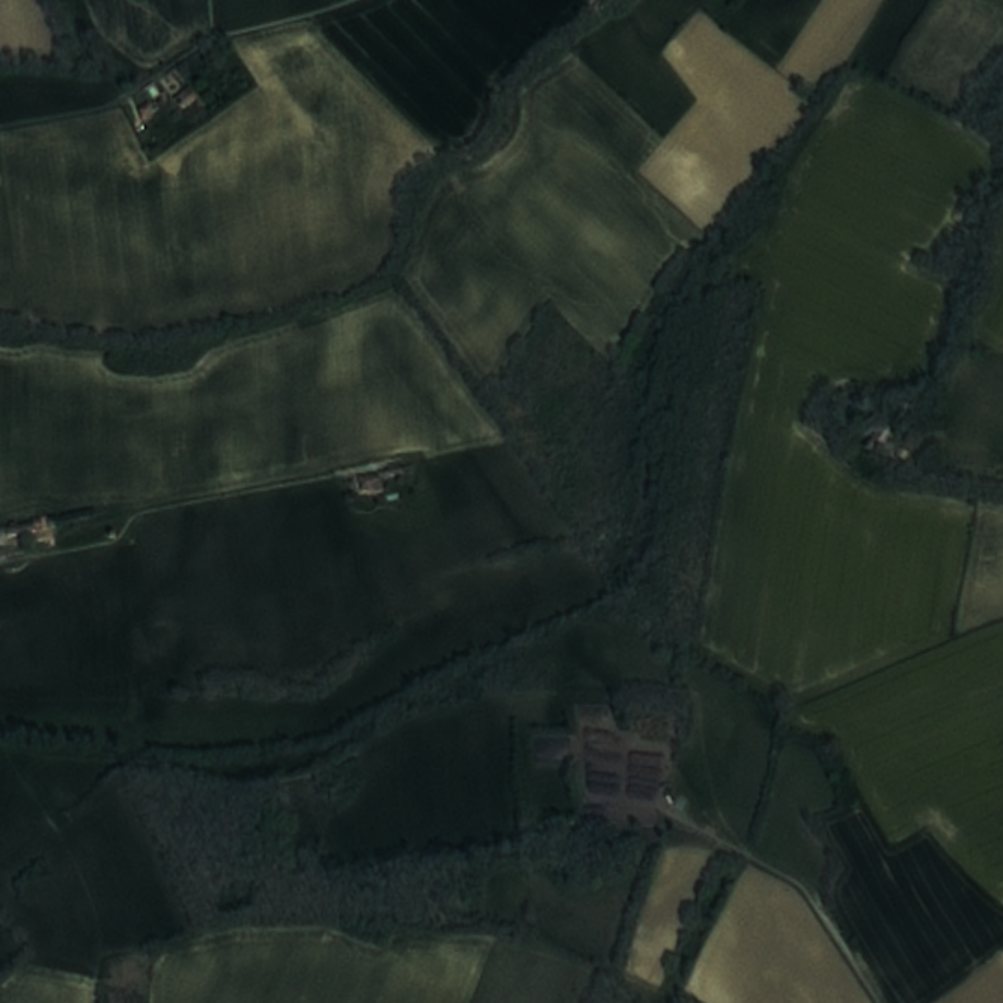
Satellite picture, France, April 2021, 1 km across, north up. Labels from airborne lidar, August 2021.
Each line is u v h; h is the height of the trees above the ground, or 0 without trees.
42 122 0
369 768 0
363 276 0
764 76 0
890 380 0
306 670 0
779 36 0
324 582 0
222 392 0
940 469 17
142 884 0
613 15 18
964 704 0
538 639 7
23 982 0
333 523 0
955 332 20
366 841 0
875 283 0
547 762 0
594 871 22
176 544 0
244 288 0
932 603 0
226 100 7
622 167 0
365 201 0
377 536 0
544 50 16
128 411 0
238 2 0
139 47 0
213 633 0
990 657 0
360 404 0
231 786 18
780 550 0
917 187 0
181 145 0
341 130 0
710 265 17
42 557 0
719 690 0
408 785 0
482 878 15
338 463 0
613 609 6
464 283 0
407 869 22
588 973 0
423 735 0
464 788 0
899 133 0
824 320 0
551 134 0
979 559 0
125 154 0
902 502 0
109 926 0
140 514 0
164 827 16
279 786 20
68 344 12
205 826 17
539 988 0
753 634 0
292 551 0
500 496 0
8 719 0
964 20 0
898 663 0
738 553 0
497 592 0
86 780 0
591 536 11
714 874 13
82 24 0
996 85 13
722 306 11
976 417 0
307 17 0
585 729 0
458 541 0
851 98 0
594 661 0
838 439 20
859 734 0
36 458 0
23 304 0
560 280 0
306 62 0
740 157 0
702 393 8
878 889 0
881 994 0
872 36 0
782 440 0
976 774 0
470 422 0
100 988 9
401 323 0
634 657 0
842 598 0
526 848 21
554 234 0
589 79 0
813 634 0
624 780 0
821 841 11
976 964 0
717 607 0
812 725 0
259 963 0
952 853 0
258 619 0
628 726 14
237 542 0
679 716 16
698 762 0
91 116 0
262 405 0
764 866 0
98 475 0
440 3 0
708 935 8
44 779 0
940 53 0
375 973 0
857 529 0
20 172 0
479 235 0
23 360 0
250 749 16
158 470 0
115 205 0
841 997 0
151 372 10
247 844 20
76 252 0
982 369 0
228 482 0
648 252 0
